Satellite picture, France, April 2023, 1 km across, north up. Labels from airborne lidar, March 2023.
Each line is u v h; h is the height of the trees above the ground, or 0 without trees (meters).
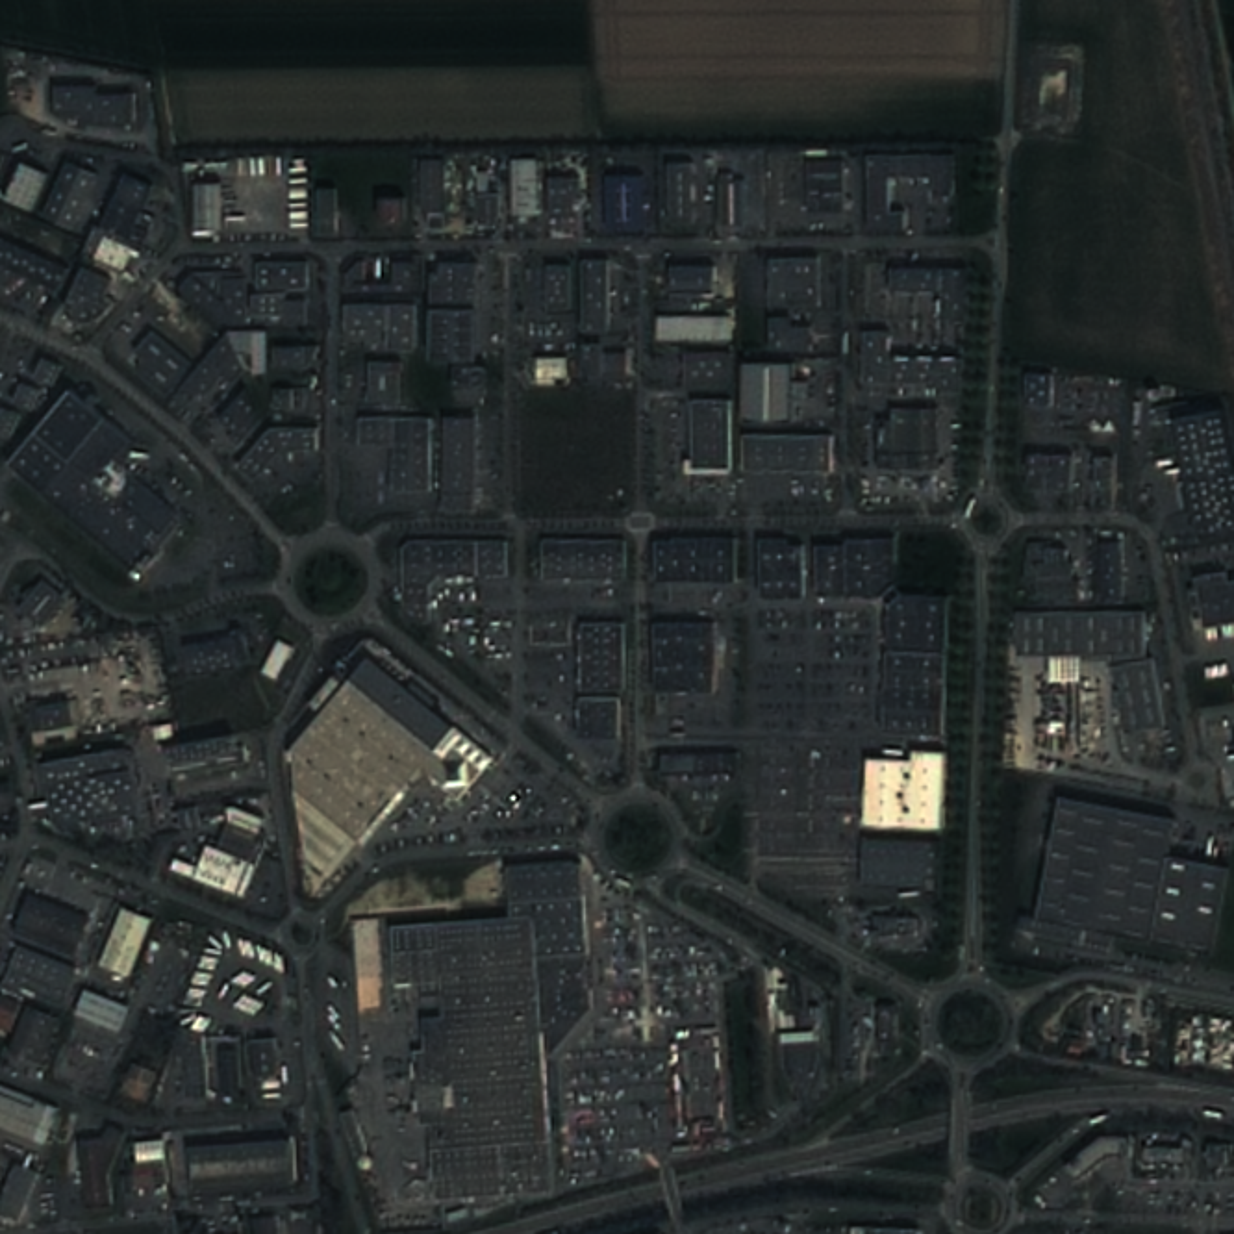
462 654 0
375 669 0
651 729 0
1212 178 0
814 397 0
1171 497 0
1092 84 0
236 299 0
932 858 0
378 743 0
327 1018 0
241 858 0
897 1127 0
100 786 0
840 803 0
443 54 0
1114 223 0
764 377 0
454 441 0
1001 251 0
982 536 0
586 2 0
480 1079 0
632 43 0
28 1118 0
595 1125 0
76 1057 0
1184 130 0
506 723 0
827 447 0
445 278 0
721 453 0
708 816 0
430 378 0
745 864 0
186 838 0
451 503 0
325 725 0
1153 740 0
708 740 0
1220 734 0
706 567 0
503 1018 0
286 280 0
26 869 0
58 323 0
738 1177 0
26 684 0
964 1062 0
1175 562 0
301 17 0
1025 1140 0
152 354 0
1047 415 0
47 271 0
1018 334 0
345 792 0
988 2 0
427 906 0
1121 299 0
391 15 0
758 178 0
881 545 0
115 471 0
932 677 0
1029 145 0
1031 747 0
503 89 0
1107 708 0
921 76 0
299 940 8
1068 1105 0
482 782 0
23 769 0
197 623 0
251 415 0
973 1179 0
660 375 0
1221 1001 0
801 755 0
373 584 0
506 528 5
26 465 0
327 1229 8
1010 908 0
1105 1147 0
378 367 0
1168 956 0
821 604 0
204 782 0
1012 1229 0
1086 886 0
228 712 0
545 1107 0
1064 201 0
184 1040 0
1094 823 0
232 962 0
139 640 0
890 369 0
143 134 0
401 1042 0
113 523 0
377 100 0
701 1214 9
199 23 0
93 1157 0
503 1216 0
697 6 0
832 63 0
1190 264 0
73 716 0
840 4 0
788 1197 11
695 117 0
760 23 0
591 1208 0
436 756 0
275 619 0
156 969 0
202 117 0
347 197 0
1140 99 0
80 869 0
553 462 0
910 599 0
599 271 0
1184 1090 0
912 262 0
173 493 0
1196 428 0
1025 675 0
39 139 0
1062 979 0
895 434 0
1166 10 0
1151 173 0
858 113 0
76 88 0
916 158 0
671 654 0
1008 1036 0
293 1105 0
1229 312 0
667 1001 0
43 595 0
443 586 0
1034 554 0
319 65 0
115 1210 0
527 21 0
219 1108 0
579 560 0
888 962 0
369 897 0
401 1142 0
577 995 0
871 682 0
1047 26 0
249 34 0
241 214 0
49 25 0
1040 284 0
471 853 0
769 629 0
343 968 0
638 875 0
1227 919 0
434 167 0
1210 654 0
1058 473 0
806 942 0
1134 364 0
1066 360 0
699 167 0
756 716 0
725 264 0
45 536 0
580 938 0
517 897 0
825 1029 0
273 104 0
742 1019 0
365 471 0
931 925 0
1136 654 0
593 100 0
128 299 0
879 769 0
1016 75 0
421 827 0
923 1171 0
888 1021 0
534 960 0
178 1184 0
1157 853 0
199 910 0
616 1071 0
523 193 0
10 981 0
